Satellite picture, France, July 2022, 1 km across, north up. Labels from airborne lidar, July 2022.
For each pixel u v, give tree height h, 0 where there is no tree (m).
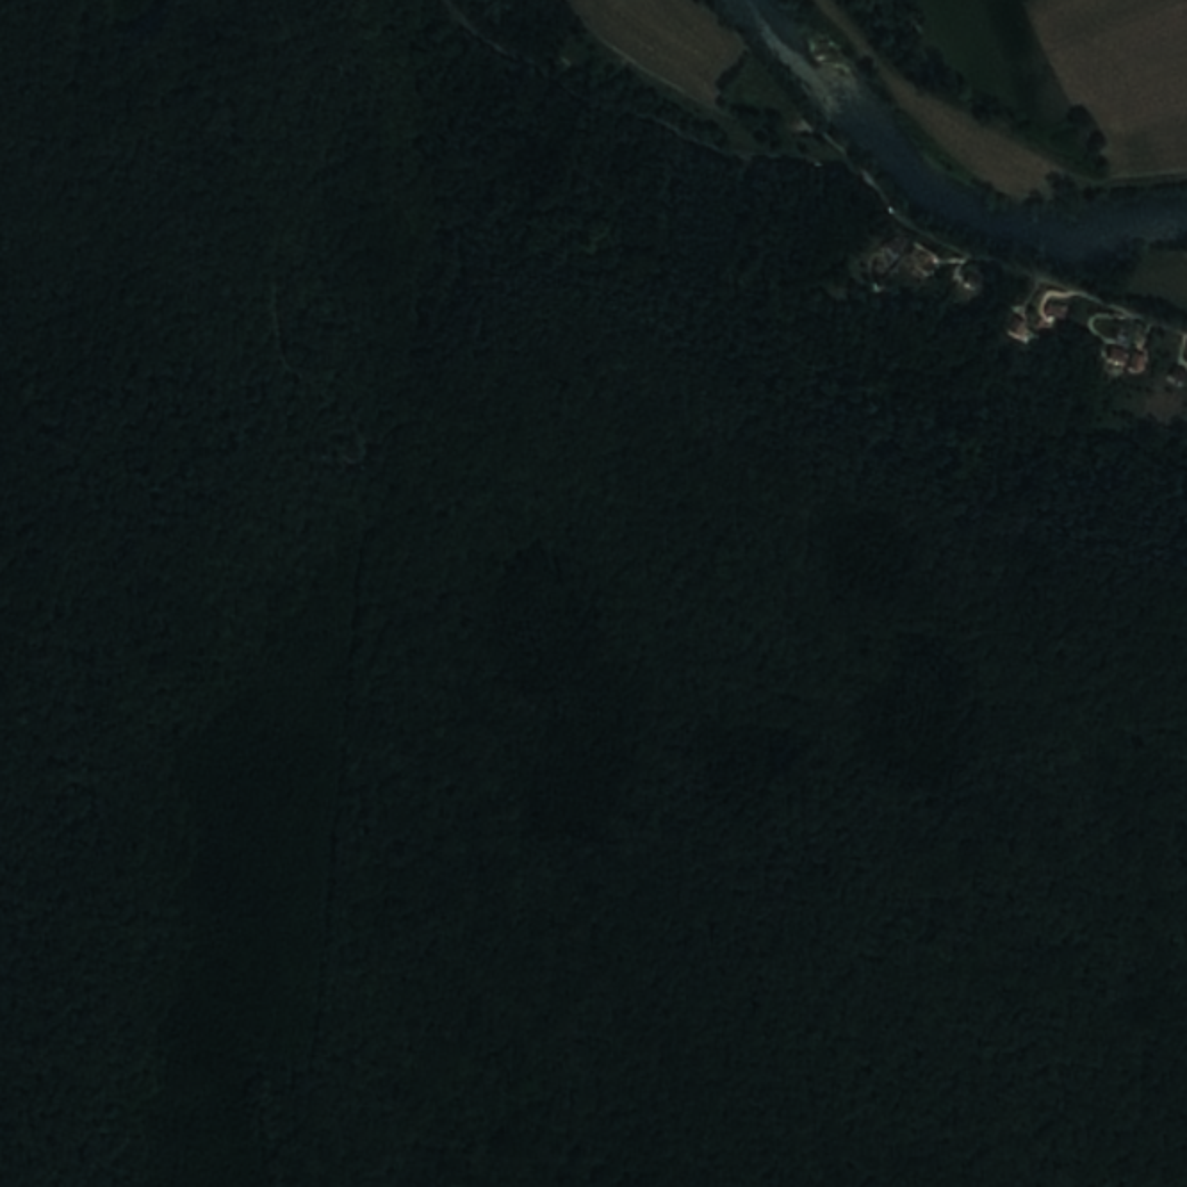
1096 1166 16
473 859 21
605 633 16
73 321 18
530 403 18
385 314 19
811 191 20
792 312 22
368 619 19
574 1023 18
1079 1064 11
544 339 18
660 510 13
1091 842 15
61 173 14
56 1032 17
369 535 19
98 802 15
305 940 10
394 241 21
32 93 17
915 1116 11
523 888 19
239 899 17
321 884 11
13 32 17
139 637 16
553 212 19
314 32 17
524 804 20
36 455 19
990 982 14
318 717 11
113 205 15
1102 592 19
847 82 0
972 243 21
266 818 16
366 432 14
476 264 26
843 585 21
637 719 15
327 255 11
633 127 16
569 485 14
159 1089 11
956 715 15
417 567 20
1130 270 22
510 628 22
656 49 0
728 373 23
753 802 20
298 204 15
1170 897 16
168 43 22
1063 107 0
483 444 17
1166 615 23
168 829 18
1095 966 15
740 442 20
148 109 21
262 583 16
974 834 18
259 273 14
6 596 20
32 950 15
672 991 18
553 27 19
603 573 19
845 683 17
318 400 14
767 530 18
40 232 17
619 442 13
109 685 14
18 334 21
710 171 13
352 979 17
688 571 14
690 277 16
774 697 22
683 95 0
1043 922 15
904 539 16
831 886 16
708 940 17
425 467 18
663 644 18
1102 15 0
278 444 13
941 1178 14
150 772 14
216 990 15
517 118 15
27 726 14
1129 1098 16
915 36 17
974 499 26
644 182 13
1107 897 15
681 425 15
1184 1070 20
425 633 20
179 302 17
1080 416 13
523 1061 22
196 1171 13
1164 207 0
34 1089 19
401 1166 16
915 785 27
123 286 16
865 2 19
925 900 18
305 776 14
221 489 16
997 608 21
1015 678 18
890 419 29
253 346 16
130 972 15
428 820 19
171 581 16
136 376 23
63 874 15
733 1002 17
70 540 20
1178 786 17
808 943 14
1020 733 17
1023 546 25
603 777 17
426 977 18
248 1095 15
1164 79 0
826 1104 14
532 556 14
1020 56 0
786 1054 16
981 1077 12
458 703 20
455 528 18
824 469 15
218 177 16
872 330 17
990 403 19
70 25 15
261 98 15
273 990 10
